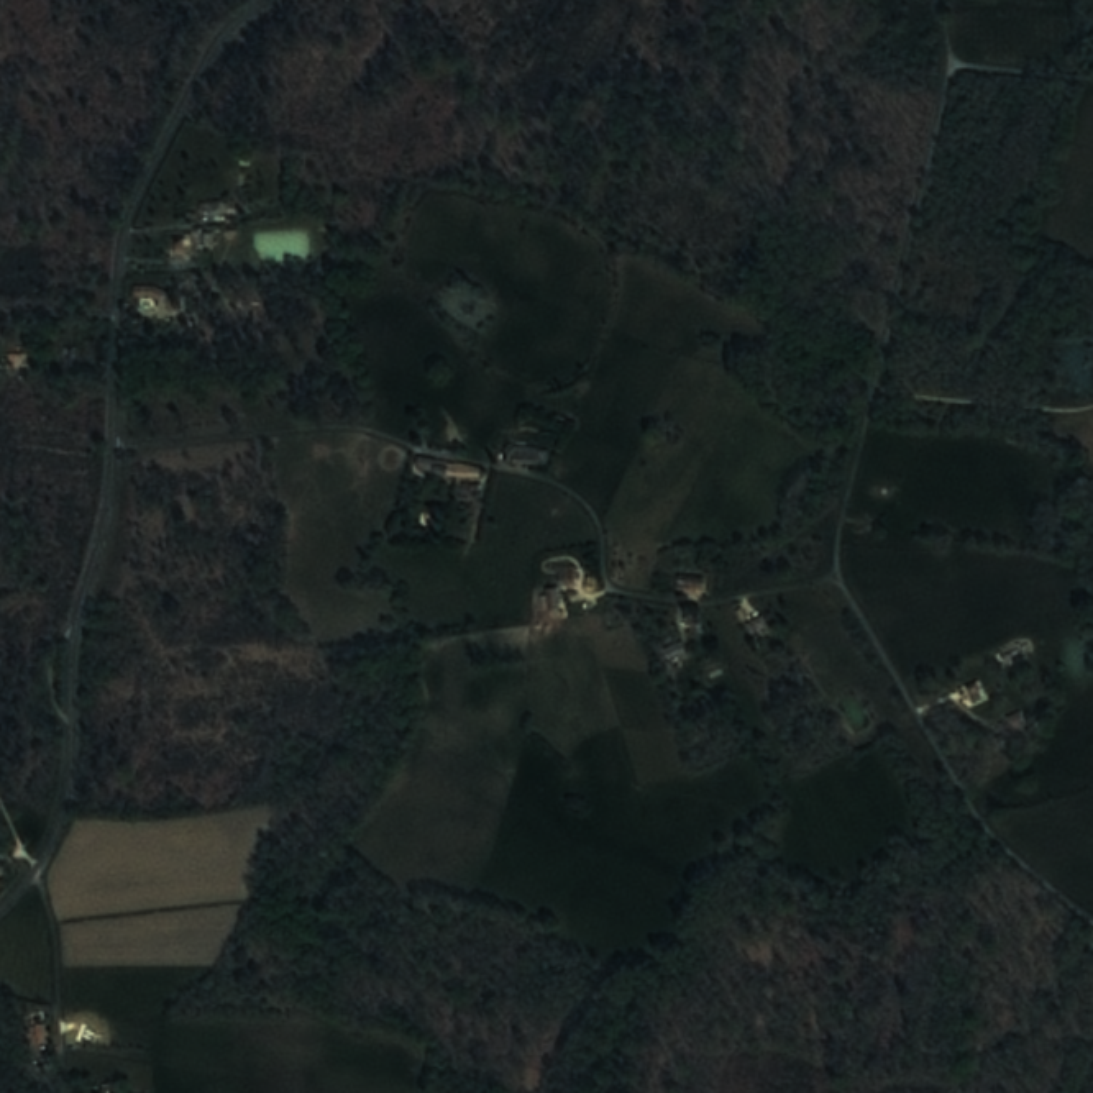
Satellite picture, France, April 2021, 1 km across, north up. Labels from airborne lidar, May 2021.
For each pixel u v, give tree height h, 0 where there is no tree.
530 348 0
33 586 9
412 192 7
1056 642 0
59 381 20
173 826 0
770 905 28
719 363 0
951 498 0
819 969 9
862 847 0
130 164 23
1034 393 15
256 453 14
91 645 14
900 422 16
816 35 13
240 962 14
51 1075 20
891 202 9
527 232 0
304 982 15
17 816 13
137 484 9
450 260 0
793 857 0
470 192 9
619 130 20
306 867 20
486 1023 19
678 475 0
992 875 16
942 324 12
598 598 0
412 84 19
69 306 18
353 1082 0
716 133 21
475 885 0
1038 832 0
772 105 19
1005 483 0
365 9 11
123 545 0
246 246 0
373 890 18
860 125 21
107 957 0
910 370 17
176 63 16
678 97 23
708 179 23
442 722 0
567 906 0
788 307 21
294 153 16
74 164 12
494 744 0
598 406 0
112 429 0
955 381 10
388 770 20
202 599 12
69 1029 0
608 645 0
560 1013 15
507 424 0
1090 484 12
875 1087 9
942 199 10
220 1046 0
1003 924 17
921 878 15
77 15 7
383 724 23
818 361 19
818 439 18
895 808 0
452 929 21
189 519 25
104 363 7
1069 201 0
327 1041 0
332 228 11
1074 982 19
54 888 0
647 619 12
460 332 7
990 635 0
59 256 11
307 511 0
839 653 0
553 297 0
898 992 13
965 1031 20
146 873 0
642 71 14
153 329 6
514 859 0
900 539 0
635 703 0
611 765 0
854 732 0
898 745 15
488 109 18
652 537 0
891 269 19
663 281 0
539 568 0
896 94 19
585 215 17
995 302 16
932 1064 16
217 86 13
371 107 26
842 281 21
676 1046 18
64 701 15
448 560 0
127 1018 0
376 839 0
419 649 13
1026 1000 20
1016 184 16
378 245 20
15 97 12
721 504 0
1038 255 15
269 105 13
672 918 0
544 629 0
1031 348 20
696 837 0
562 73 0
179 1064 0
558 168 19
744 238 7
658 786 0
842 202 15
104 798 14
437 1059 17
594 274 0
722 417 0
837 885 11
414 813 0
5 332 17
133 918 0
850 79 18
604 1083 17
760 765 9
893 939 19
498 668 17
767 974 16
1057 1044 11
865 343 23
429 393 0
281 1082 0
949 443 0
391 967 17
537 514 0
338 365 24
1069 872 0
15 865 15
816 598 0
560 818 0
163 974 0
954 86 12
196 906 0
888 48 10
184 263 0
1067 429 0
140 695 13
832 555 0
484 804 0
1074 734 0
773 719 17
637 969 22
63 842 0
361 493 0
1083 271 18
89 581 0
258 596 13
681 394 0
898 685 0
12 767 22
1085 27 18
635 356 0
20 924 0
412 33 24
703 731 19
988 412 15
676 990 19
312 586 0
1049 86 17
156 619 9
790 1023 16
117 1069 0
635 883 0
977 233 16
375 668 21
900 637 0
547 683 0
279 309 23
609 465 0
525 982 14
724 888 26
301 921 24
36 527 21
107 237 7
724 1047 12
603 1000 11
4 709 9
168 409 0
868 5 14
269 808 12
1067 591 0
